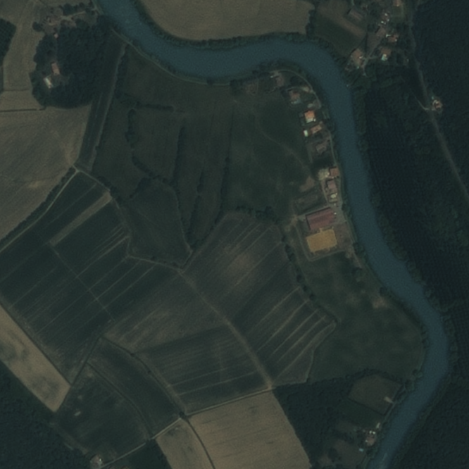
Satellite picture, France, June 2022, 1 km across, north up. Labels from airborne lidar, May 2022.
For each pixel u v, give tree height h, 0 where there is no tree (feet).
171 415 0
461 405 62
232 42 53
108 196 0
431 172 54
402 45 64
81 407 0
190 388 0
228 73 0
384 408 0
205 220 0
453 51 81
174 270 0
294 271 0
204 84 0
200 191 28
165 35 24
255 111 0
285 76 0
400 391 22
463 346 76
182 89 0
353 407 0
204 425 0
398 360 0
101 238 0
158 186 0
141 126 0
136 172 0
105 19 69
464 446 51
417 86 39
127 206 0
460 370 45
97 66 69
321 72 0
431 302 61
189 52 0
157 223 0
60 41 53
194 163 0
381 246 0
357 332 0
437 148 28
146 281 0
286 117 0
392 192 82
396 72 43
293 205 0
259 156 0
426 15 75
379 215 72
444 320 45
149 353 0
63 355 0
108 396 0
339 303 0
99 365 0
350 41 0
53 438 77
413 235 95
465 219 65
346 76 39
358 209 0
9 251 0
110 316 0
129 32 0
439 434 52
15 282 0
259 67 23
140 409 0
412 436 68
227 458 0
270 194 0
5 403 67
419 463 51
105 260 0
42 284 0
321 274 0
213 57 0
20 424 74
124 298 0
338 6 0
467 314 85
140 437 0
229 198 0
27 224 52
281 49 0
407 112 29
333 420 32
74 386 0
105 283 0
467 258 35
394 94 23
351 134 0
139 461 0
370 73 51
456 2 72
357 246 49
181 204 19
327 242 0
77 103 83
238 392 0
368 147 40
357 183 0
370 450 27
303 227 0
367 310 0
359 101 79
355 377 29
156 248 0
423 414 84
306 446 30
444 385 65
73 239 0
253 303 0
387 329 0
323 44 42
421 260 83
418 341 0
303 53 0
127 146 0
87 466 72
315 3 23
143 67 0
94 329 0
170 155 0
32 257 0
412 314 23
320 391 25
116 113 0
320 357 0
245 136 0
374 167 72
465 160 69
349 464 0
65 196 0
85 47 66
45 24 27
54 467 61
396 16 0
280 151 0
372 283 0
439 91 95
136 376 0
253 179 0
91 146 0
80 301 0
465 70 75
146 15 30
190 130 0
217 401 0
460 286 77
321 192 0
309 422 39
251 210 48
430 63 95
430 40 74
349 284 0
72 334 0
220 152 0
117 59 0
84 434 0
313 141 0
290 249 56
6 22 20
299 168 0
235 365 0
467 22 59
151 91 0
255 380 0
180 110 0
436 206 29
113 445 0
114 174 0
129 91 0
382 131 87
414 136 60
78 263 0
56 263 0
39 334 0
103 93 0
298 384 23
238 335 0
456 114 93
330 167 28
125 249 0
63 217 0
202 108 0
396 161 89
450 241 30
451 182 69
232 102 0
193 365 0
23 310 0
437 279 92
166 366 0
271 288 0
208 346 0
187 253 0
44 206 49
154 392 0
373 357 0
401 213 77
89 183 0
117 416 0
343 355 0
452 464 54
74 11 51
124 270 0
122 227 0
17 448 77
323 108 31
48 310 0
